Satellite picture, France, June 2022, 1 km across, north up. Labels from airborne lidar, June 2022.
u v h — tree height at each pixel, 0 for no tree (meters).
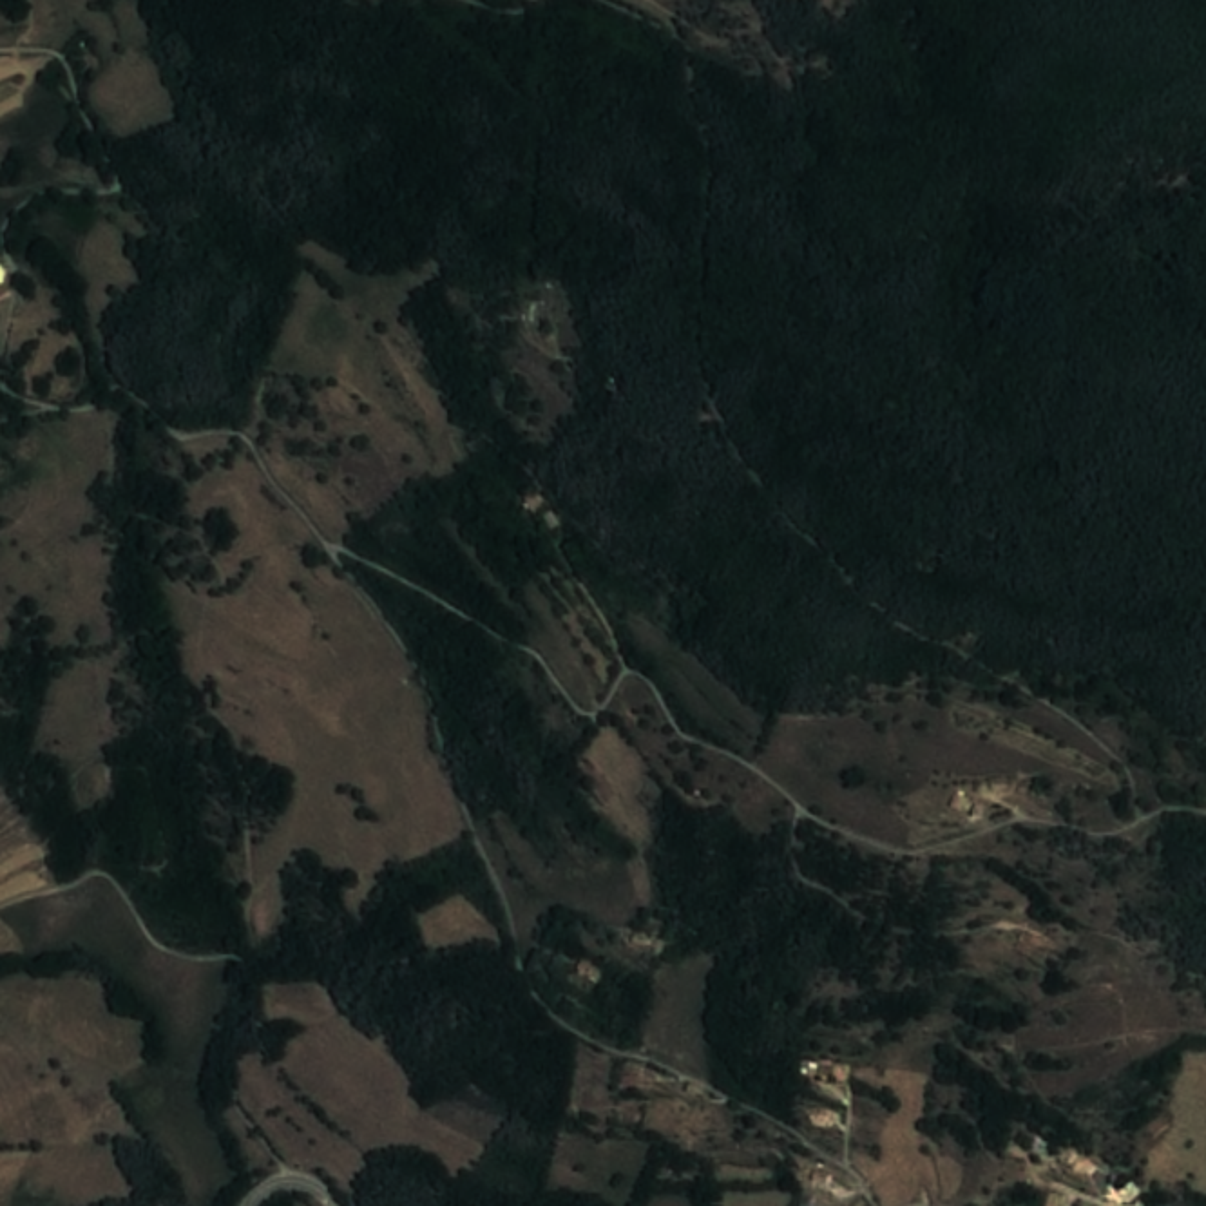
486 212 14
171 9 12
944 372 15
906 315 17
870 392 9
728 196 13
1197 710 15
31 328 0
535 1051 14
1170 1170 0
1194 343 20
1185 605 10
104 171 13
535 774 10
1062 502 12
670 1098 0
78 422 0
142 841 6
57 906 0
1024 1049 0
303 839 0
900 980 11
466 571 7
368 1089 0
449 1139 0
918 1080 0
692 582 18
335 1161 0
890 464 7
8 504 0
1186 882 7
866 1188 0
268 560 0
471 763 14
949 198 16
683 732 7
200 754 17
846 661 8
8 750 7
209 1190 0
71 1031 0
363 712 0
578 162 17
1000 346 22
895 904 5
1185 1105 0
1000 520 14
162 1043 15
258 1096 0
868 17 13
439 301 11
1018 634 13
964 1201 0
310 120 15
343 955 14
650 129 14
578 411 8
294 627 0
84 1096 0
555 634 0
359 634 0
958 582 12
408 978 12
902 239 12
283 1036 11
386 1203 18
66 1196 0
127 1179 12
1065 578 13
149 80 0
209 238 8
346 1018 13
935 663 13
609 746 0
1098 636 12
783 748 0
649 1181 12
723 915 13
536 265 11
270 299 9
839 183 12
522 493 10
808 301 13
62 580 0
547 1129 11
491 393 16
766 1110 6
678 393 16
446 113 11
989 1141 8
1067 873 0
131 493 12
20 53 0
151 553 22
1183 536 14
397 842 0
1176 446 17
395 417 0
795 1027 13
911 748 0
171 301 13
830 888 6
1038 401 17
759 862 12
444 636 11
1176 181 18
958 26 17
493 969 15
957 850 0
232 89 16
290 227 13
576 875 0
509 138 17
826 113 11
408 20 13
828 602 13
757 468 10
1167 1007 0
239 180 16
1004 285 33
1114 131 13
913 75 17
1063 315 32
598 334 8
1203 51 8
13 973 11
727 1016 6
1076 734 0
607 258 16
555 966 13
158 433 17
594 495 9
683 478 15
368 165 10
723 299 12
